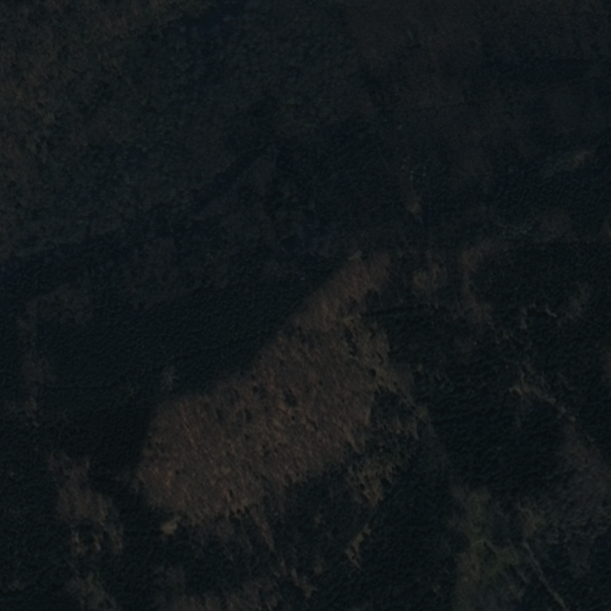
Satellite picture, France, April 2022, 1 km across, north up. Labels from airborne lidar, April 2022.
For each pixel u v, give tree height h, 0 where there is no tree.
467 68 21
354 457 19
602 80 18
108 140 31
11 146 27
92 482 19
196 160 33
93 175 33
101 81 31
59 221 33
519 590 28
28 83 31
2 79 35
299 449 27
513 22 20
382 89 20
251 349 22
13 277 20
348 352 27
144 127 30
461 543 31
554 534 26
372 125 20
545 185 24
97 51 33
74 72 29
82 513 25
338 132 20
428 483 35
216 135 31
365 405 31
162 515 22
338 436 25
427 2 24
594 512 29
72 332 23
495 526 23
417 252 18
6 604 26
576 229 20
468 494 26
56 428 16
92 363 23
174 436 20
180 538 25
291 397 29
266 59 32
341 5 24
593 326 21
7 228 26
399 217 22
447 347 20
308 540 25
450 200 19
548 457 25
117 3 29
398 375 26
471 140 19
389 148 16
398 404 35
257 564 27
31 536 23
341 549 32
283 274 19
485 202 24
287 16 29
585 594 27
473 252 13
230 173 18
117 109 37
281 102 25
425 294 18
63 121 29
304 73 31
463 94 21
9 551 26
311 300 18
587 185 22
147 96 35
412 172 20
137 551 27
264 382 21
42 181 27
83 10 34
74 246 21
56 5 32
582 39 19
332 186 20
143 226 23
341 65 30
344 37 29
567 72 21
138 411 15
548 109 24
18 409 18
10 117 28
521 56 21
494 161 17
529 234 19
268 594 22
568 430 30
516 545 21
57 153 23
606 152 15
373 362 28
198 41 32
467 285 16
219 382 17
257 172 28
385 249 16
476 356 21
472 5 24
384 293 18
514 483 18
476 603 22
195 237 26
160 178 36
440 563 21
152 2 23
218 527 25
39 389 18
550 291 31
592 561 27
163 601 29
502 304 19
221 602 26
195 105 33
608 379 27
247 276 27
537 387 21
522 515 19
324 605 23
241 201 29
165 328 24
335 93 29
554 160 17
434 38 19
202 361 24
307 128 21
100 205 35
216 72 30
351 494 28
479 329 25
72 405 23
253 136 24
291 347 16
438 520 37
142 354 20
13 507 22
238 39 29
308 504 22
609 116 18
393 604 25
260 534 24
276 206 20
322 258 15
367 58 19
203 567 33
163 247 31
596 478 27
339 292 20
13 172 25
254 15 31
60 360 23
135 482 23
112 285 28
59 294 25
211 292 23
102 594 20
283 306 22
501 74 19
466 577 19
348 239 17
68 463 14
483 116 22
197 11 11
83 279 25
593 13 18
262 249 27
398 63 20
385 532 26
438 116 20
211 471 24
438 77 23
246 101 28
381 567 28
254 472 25
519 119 19
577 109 17
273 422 24
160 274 25
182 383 21
